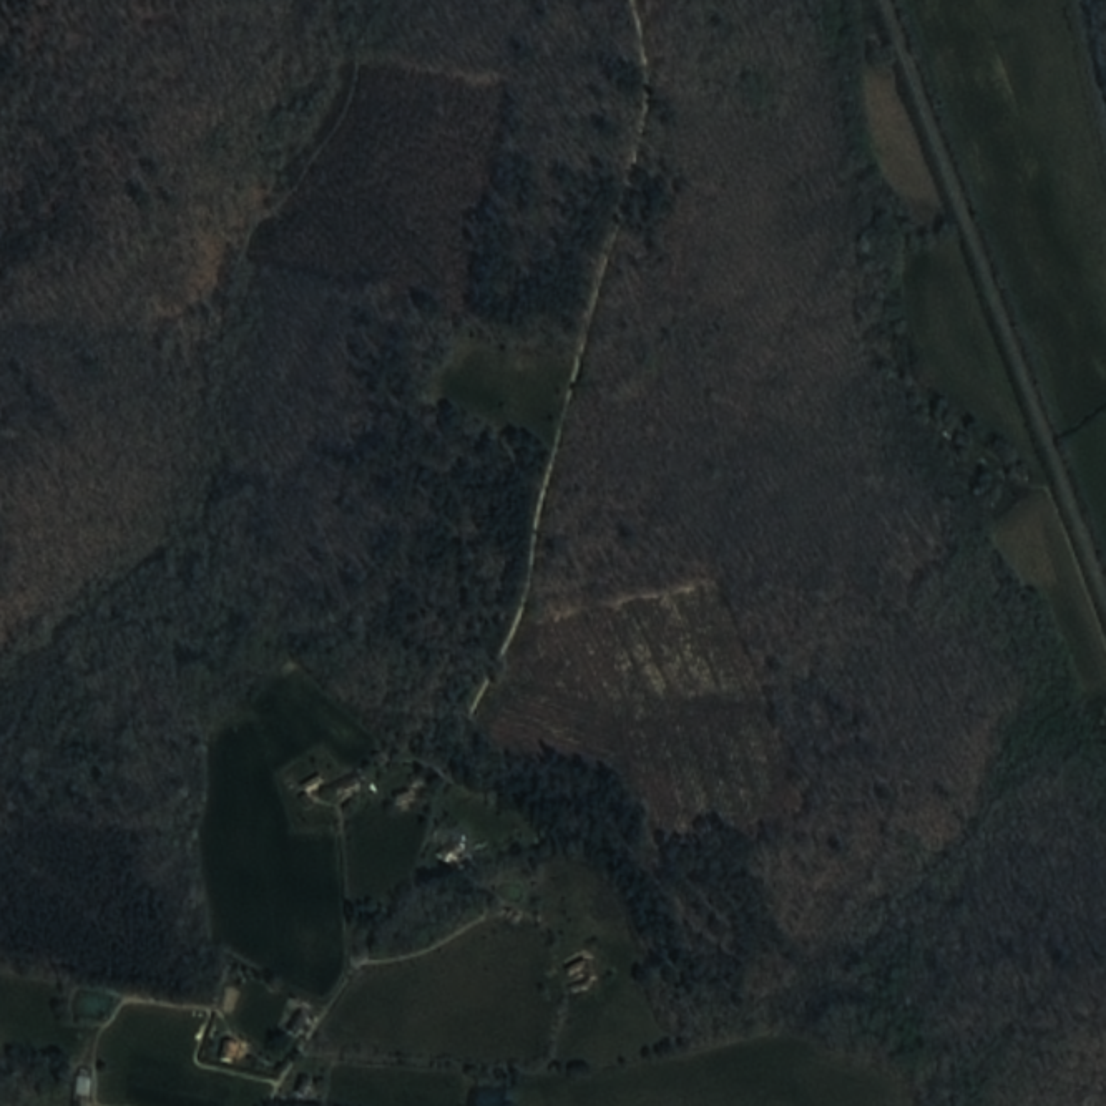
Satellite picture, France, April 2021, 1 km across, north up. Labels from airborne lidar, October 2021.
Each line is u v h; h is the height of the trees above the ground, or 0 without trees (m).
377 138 7
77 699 22
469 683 18
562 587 17
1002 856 21
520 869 12
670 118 14
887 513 16
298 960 0
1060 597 0
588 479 6
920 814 22
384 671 15
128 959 18
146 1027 0
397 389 27
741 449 10
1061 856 20
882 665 22
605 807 20
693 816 0
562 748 0
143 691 11
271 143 24
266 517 22
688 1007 11
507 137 14
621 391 17
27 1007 0
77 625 18
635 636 0
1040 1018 21
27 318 21
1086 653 0
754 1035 17
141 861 17
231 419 25
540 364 0
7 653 12
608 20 11
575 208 24
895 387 13
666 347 16
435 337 15
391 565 24
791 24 22
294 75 23
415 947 11
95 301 21
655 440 8
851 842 17
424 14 18
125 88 18
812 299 14
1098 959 20
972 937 19
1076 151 0
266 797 0
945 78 0
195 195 26
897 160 0
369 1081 0
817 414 15
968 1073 22
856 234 15
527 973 0
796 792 18
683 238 7
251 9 25
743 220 15
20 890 17
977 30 0
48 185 10
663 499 9
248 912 0
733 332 11
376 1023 0
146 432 20
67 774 20
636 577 12
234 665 21
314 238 6
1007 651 22
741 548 14
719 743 0
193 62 20
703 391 7
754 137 12
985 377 0
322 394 14
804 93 15
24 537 18
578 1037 0
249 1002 0
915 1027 16
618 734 0
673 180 13
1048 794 21
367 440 10
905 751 18
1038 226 0
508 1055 0
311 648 12
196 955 15
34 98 17
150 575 26
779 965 16
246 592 21
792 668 19
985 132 0
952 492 12
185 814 16
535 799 25
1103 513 0
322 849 0
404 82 6
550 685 0
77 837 19
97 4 11
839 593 11
